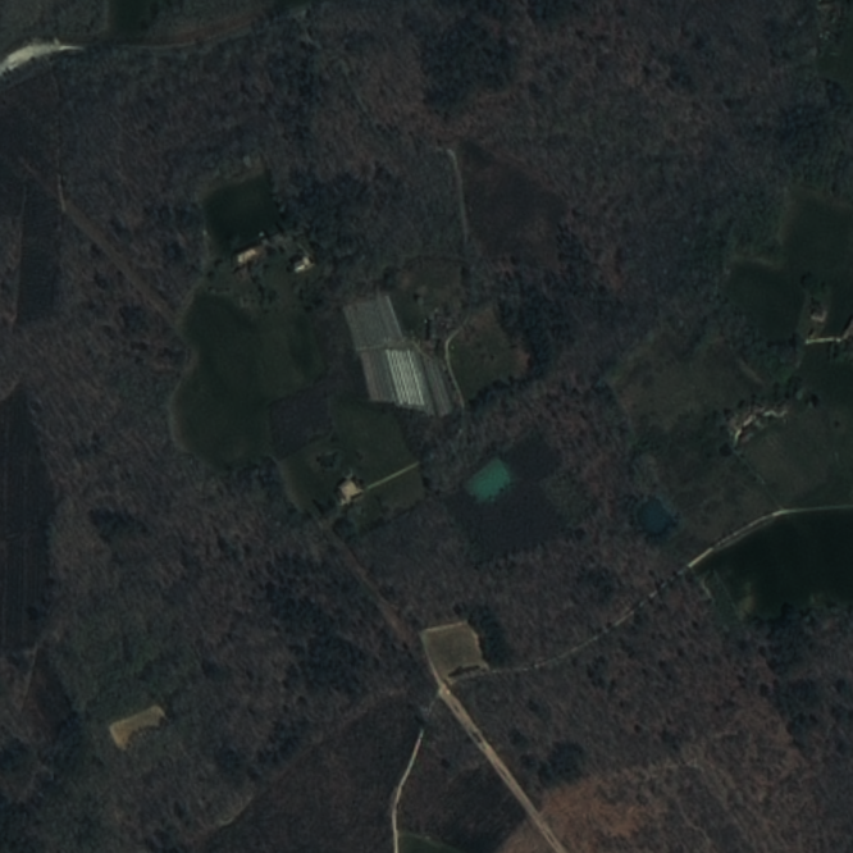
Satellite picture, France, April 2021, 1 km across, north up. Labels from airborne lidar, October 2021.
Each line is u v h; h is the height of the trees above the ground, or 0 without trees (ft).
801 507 0
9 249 61
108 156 67
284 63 48
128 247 54
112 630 82
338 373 0
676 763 34
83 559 70
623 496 55
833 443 0
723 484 0
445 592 33
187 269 56
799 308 0
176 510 49
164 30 65
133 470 57
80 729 72
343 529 61
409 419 22
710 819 36
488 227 0
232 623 39
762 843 46
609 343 53
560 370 39
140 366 66
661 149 55
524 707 59
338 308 0
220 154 52
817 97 78
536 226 0
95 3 76
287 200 45
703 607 39
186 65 38
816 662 54
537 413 27
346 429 0
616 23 25
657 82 50
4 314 48
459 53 87
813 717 34
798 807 47
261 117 38
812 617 42
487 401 60
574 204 36
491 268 31
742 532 30
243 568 45
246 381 0
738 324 62
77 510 53
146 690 69
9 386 59
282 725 39
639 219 60
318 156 59
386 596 37
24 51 0
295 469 0
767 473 0
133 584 54
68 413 42
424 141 47
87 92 59
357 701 70
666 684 29
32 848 99
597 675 29
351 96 54
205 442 0
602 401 70
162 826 56
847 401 0
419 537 58
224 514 47
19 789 44
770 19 73
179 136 28
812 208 0
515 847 0
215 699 59
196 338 0
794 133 78
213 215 0
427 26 57
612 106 55
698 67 44
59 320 54
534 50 53
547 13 78
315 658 57
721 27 50
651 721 40
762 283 0
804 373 0
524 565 21
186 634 47
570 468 25
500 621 36
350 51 63
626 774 33
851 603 0
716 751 48
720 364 0
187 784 58
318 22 53
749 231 85
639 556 39
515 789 0
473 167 0
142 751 70
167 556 49
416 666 34
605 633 43
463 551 35
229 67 42
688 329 42
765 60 47
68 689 61
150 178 30
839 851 67
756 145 42
